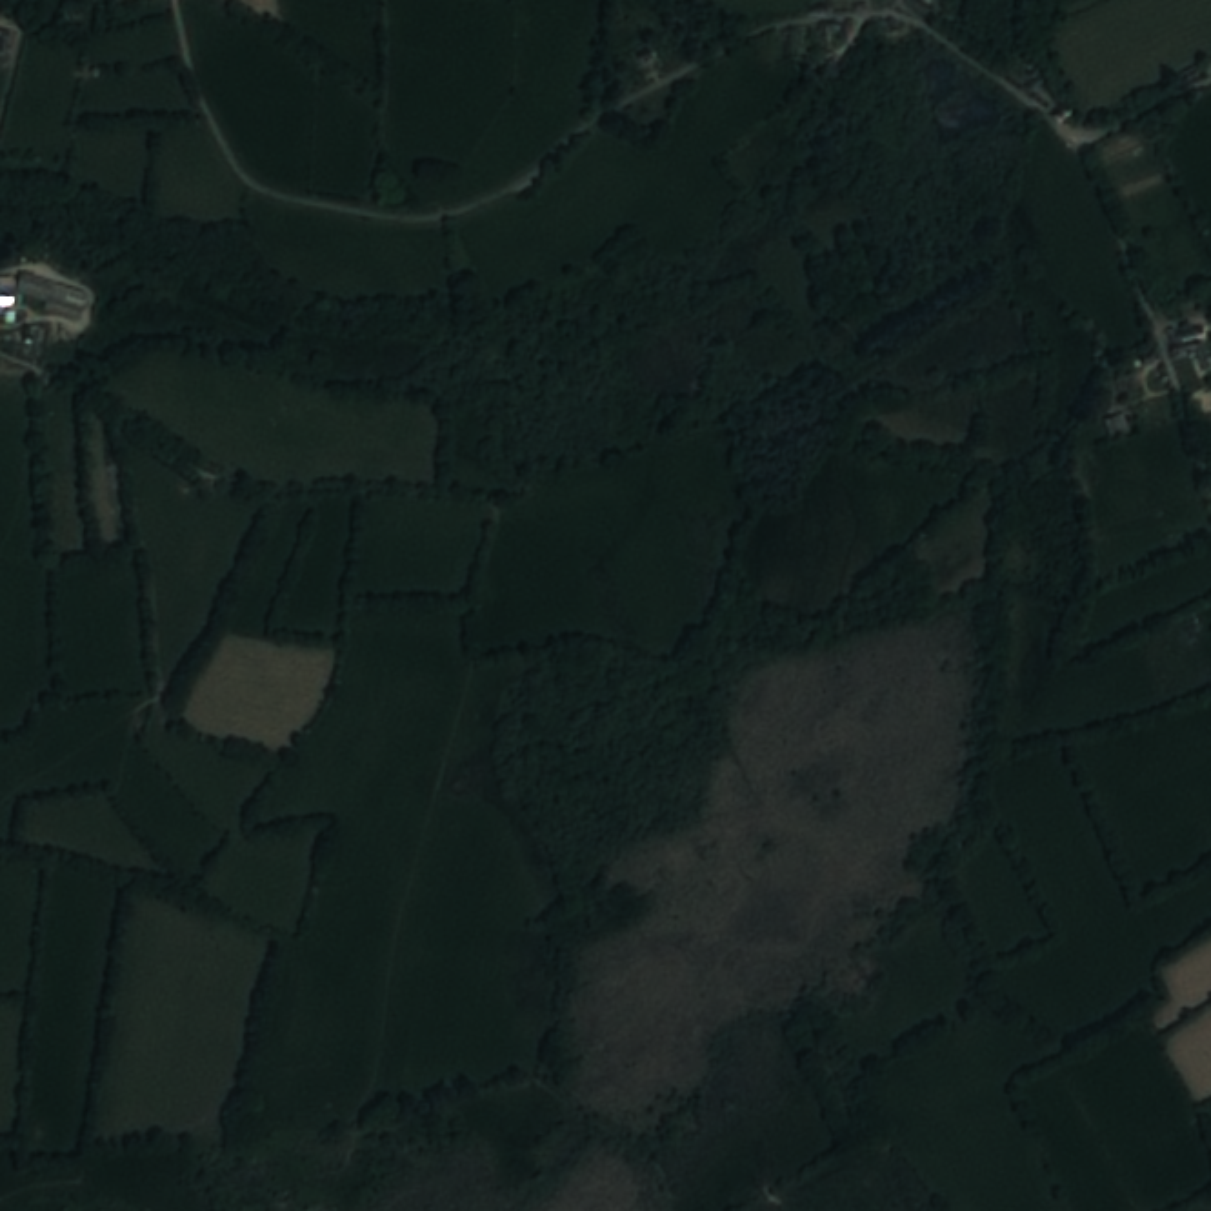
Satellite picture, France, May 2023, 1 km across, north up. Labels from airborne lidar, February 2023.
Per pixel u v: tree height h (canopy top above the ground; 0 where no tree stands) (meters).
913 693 0
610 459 19
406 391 8
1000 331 0
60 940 0
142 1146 17
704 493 0
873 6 0
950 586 0
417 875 0
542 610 0
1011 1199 0
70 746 0
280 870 0
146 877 13
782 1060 0
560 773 15
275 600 7
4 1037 0
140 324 0
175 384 0
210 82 0
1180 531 0
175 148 0
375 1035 0
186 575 0
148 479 0
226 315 0
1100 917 0
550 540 0
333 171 0
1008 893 0
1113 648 9
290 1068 0
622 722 8
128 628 0
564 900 13
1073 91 8
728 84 0
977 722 7
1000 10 12
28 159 6
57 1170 14
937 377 10
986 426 11
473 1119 0
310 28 0
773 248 0
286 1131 0
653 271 6
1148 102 11
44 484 13
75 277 0
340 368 0
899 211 8
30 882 0
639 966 0
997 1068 0
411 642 0
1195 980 0
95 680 0
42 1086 0
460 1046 0
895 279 19
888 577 11
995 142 5
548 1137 7
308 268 0
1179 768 0
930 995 0
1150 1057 0
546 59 0
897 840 0
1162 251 0
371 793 0
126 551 14
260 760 18
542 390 12
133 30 7
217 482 6
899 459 17
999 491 15
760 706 0
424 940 0
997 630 16
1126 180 0
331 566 0
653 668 9
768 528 0
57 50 10
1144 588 0
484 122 0
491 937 0
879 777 0
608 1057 0
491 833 0
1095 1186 0
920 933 0
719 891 0
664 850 0
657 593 0
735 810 0
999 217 9
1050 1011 0
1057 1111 0
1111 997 0
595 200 0
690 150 0
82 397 17
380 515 0
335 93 0
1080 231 0
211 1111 0
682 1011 0
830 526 0
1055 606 12
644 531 0
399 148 0
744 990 0
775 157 0
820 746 0
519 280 0
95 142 0
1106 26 0
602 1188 0
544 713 10
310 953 0
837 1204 0
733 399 7
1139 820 0
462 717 0
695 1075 0
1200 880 9
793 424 30
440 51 0
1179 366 0
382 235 0
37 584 0
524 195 10
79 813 0
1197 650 0
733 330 0
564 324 7
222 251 19
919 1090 0
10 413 0
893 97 9
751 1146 0
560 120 0
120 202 8
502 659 9
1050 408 9
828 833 0
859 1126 16
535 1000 0
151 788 0
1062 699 0
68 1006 0
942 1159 0
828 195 0
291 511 0
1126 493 0
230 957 0
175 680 11
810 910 0
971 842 12
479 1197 0
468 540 0
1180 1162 0
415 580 0
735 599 14
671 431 16
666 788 7
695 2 17
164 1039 0
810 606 0
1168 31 0
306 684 0
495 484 0
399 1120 18
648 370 0
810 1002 8
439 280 0
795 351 0
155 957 0
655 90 0
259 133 0
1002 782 0
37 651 0
